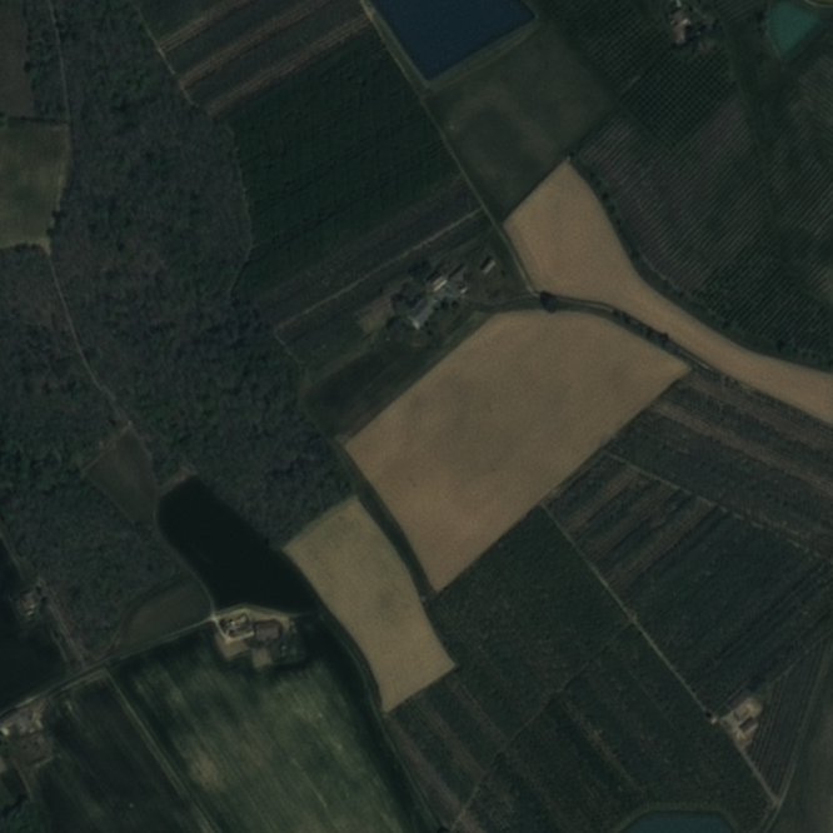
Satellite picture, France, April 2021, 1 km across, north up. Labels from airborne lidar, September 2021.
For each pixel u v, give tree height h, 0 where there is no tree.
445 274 6
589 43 0
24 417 17
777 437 7
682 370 0
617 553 8
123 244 20
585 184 0
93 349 17
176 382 17
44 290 17
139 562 17
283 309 9
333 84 8
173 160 21
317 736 0
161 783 0
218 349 22
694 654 6
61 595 12
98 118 24
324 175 8
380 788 0
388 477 0
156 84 15
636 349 0
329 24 7
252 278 9
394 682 0
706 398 7
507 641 7
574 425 0
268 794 0
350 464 0
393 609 0
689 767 8
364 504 0
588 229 0
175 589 0
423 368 0
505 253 0
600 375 0
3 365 18
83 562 16
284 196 8
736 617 7
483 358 0
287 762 0
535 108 0
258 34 6
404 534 0
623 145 5
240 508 19
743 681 6
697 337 0
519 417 0
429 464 0
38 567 17
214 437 17
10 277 17
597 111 0
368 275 7
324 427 0
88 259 17
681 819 0
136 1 8
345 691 0
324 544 0
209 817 0
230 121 8
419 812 0
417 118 8
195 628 0
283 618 0
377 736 0
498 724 5
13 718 0
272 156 6
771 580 9
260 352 25
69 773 0
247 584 0
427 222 7
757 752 6
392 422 0
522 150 0
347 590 0
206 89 9
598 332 0
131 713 0
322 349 9
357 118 7
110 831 0
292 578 0
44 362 22
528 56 0
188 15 7
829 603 5
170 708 0
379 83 9
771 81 0
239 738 0
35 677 0
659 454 7
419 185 7
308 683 0
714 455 6
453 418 0
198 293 22
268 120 8
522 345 0
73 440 19
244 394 20
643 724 8
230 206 22
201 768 0
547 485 0
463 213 6
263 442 21
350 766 0
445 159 5
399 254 9
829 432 7
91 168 18
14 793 0
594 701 7
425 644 0
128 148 21
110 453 0
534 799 6
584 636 7
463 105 0
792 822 0
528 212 0
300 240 9
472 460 0
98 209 20
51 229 0
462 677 6
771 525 6
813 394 0
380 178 8
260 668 0
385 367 0
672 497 6
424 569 0
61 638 13
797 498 7
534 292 0
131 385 16
